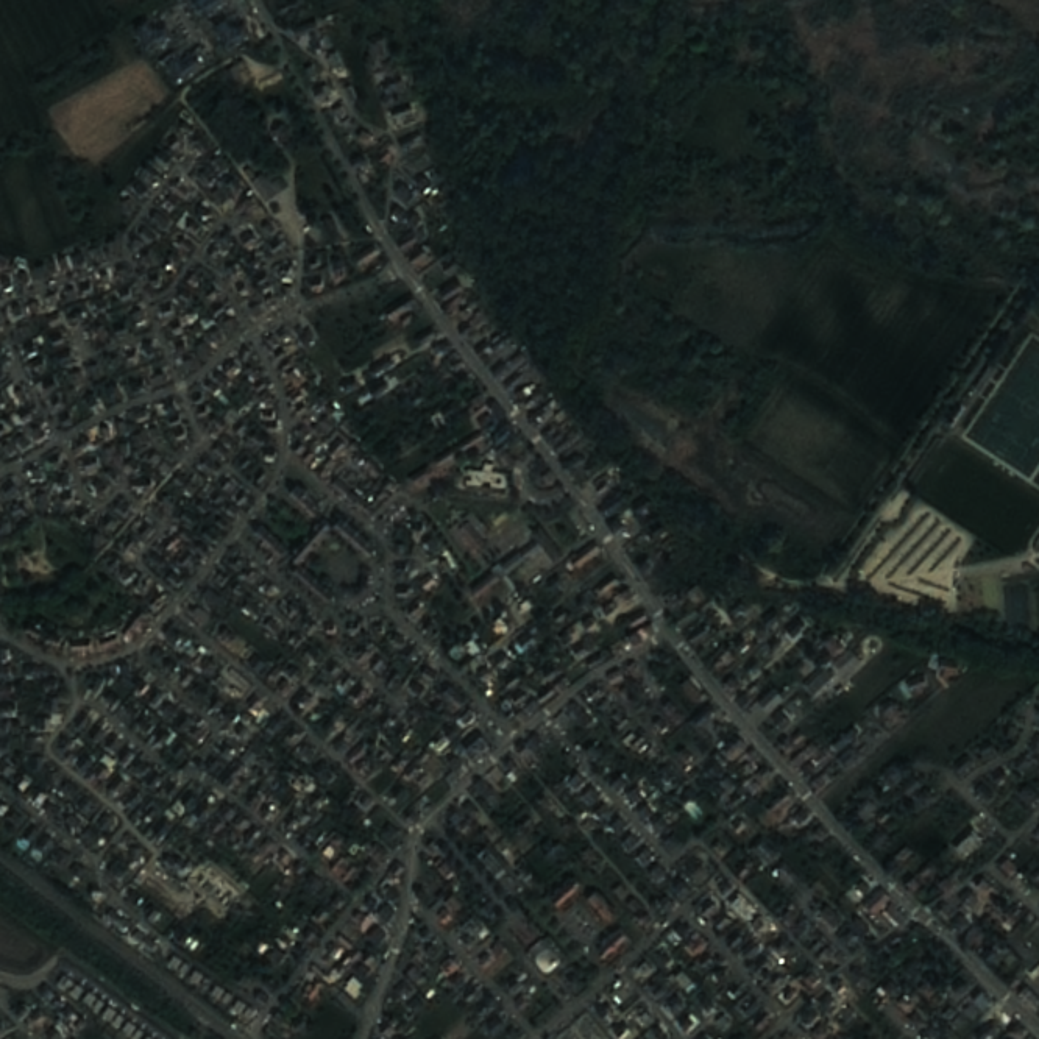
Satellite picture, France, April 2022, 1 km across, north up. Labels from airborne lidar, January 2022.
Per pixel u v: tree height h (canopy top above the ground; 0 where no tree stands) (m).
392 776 0
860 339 0
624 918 0
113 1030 0
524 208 19
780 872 0
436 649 0
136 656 0
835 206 35
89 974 0
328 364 0
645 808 0
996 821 0
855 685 0
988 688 0
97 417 0
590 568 0
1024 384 0
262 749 7
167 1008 7
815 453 0
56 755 0
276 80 0
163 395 0
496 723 0
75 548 0
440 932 0
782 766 0
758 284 0
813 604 11
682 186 8
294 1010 8
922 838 0
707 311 0
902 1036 0
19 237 0
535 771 6
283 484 0
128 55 0
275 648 0
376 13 12
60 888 7
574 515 0
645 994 0
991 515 0
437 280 0
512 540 0
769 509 0
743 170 16
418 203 0
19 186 0
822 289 0
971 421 0
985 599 0
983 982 0
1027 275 14
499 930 0
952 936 0
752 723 0
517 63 31
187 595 0
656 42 22
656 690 0
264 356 0
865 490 0
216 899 0
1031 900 0
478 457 14
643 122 33
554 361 33
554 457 0
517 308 35
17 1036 0
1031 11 0
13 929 0
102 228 0
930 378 0
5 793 0
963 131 14
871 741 0
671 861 0
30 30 0
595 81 24
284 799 0
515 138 28
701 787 9
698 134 0
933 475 0
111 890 0
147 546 0
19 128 0
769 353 0
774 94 7
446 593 0
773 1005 0
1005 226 18
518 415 0
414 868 0
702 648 7
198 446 0
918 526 0
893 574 0
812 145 38
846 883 7
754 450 0
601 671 0
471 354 0
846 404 0
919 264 29
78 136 0
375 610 0
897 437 0
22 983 0
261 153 18
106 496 0
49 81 9
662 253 0
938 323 0
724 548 14
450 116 33
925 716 0
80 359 0
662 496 13
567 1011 0
